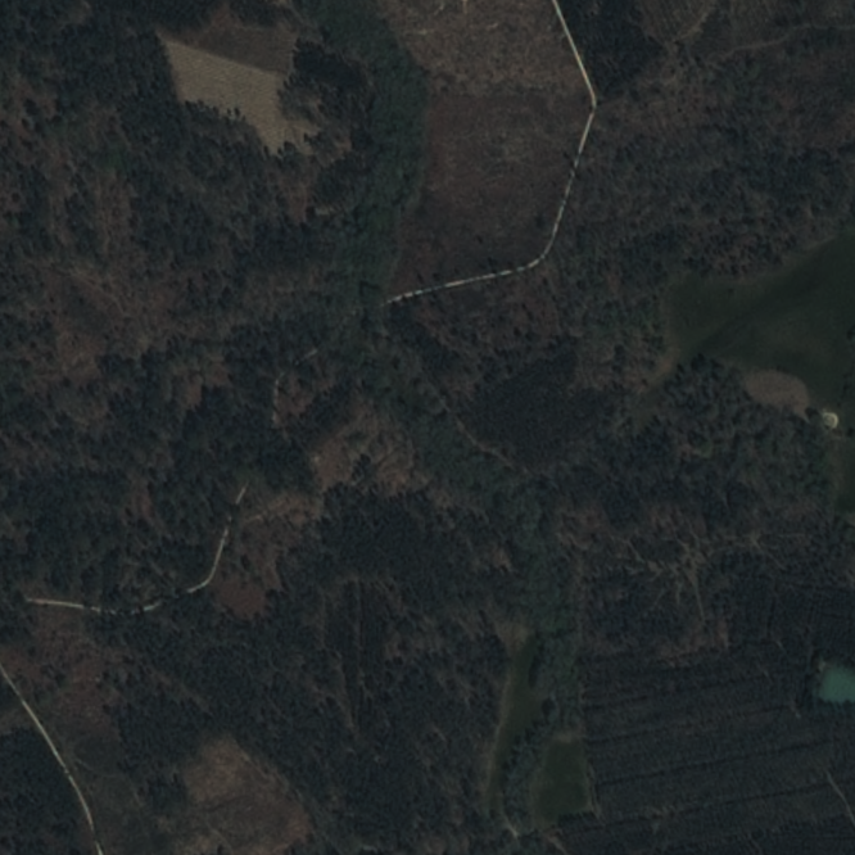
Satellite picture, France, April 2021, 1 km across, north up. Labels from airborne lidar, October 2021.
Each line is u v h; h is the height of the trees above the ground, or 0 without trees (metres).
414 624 13
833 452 0
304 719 22
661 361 17
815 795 12
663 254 14
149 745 26
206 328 7
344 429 15
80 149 14
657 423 0
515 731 0
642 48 12
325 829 28
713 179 12
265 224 31
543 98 0
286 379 7
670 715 13
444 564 24
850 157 17
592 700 12
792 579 15
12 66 17
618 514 22
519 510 25
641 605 11
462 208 0
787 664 18
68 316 9
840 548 9
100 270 14
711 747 15
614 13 12
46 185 25
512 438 13
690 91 10
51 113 14
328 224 7
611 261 7
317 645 23
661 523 9
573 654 23
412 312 21
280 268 26
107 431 18
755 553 5
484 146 0
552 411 15
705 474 20
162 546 23
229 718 25
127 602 24
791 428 15
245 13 15
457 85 0
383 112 22
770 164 13
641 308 11
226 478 19
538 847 24
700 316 0
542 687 28
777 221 10
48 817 23
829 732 16
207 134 23
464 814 15
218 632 7
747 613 16
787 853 16
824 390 0
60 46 24
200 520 22
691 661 14
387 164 27
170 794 26
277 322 15
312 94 22
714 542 13
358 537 24
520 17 0
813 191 24
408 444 14
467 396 11
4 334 26
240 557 10
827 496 21
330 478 0
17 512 25
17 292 7
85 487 31
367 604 13
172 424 14
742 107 14
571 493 22
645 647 13
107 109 24
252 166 25
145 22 18
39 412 18
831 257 0
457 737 21
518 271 14
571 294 12
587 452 18
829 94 7
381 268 27
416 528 25
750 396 9
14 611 18
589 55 11
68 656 8
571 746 0
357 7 18
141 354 10
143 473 16
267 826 0
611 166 13
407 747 26
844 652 16
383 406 22
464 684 12
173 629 8
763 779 13
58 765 21
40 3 23
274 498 19
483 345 14
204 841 0
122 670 12
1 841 26
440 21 0
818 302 0
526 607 28
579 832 12
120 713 11
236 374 28
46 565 22
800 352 0
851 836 15
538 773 21
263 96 0
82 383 0
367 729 11
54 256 25
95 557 11
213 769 0
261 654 22
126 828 0
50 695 12
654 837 13
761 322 0
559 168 0
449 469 24
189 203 26
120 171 15
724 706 12
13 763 23
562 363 14
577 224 7
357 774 24
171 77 23
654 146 8
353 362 17
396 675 21
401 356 18
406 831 24
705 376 22
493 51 0
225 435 28
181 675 25
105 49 23
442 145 0
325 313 19
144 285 18
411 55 11
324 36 18
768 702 15
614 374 7
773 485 24
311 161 9
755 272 16
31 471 14
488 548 25
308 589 25
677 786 11
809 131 6
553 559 26
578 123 0
